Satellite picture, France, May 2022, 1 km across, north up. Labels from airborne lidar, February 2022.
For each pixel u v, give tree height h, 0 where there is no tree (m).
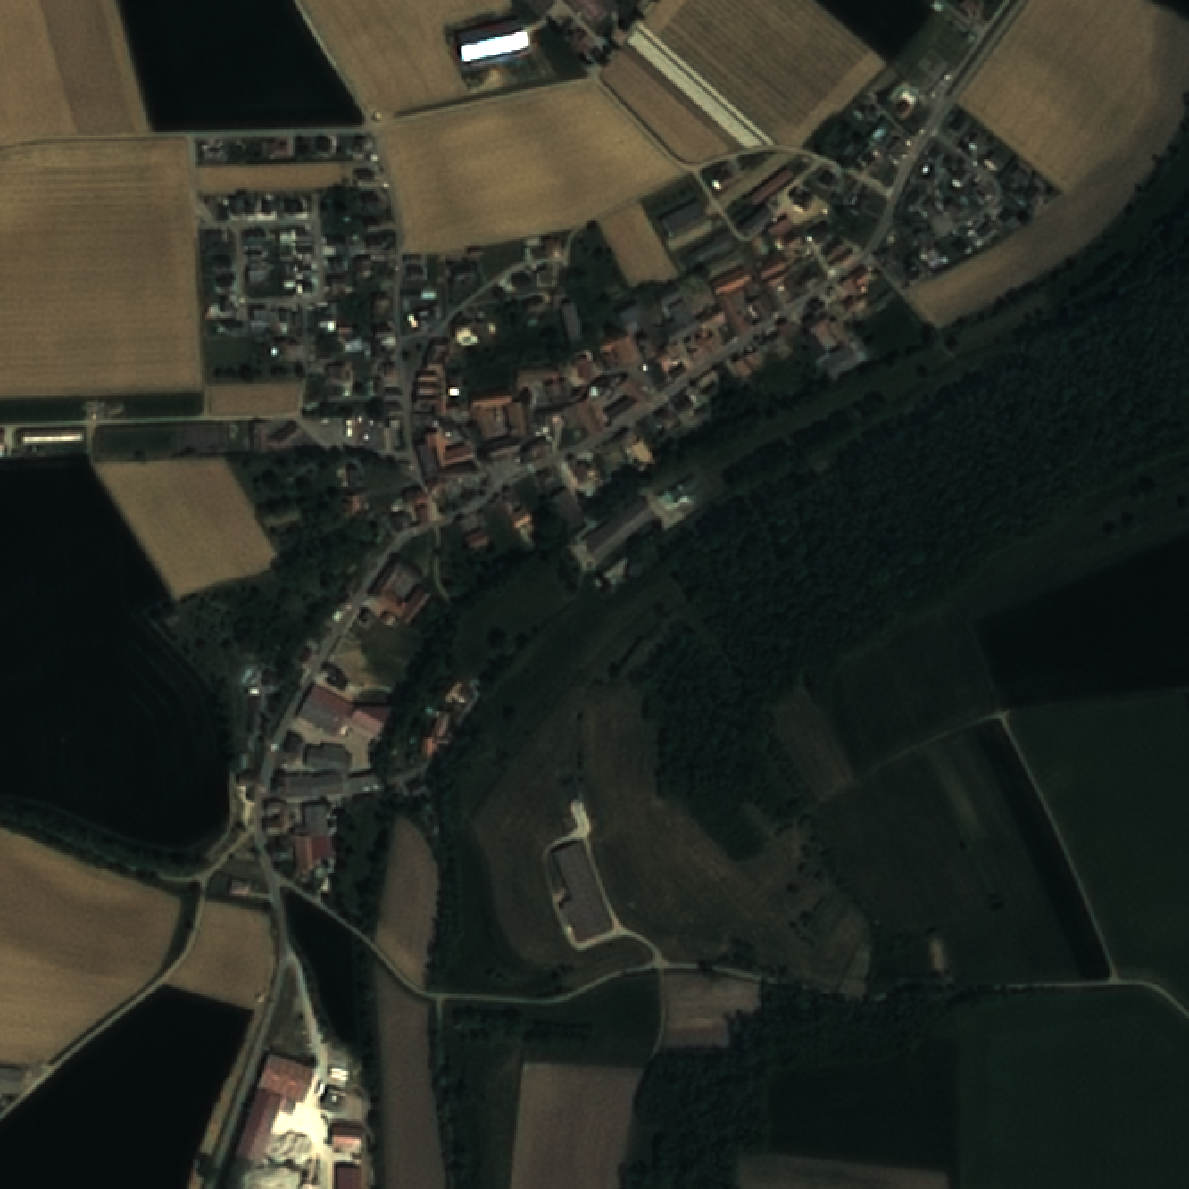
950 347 10
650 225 0
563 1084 0
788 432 0
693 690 20
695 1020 0
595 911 0
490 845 0
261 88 0
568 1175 0
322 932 0
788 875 0
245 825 0
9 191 0
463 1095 14
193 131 0
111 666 0
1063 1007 0
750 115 0
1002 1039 0
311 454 17
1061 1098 0
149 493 0
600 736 0
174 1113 0
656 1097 13
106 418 0
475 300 0
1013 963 0
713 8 0
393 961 0
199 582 0
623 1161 0
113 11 0
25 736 0
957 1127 0
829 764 0
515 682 0
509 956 0
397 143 0
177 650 0
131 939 0
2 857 0
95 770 0
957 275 0
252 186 0
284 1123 0
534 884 0
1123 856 0
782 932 0
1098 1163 0
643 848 0
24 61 0
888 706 0
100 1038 0
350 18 0
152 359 0
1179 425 21
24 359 0
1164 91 0
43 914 0
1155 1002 0
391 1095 0
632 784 0
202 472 0
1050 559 0
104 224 0
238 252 0
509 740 0
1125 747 0
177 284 0
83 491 0
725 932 0
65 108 0
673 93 0
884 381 0
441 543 0
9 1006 0
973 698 0
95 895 0
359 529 0
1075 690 0
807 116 0
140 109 0
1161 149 0
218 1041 0
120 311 0
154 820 0
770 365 0
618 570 0
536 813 0
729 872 0
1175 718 0
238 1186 0
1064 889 0
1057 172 0
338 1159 0
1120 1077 0
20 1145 0
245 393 0
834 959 0
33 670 0
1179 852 0
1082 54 0
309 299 0
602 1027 0
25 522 0
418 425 0
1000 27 0
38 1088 0
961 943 0
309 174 0
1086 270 0
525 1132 0
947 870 0
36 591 0
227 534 0
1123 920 0
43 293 0
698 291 0
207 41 0
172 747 0
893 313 0
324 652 0
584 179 0
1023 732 0
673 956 0
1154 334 21
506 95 0
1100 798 0
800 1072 0
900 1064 0
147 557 0
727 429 19
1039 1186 0
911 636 0
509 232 0
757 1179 0
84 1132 0
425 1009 0
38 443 0
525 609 0
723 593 20
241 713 0
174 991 0
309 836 0
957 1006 11
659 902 0
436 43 0
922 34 0
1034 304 0
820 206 0
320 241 0
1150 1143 0
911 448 21
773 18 0
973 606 0
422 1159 0
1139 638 0
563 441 0
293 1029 0
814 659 16
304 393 0
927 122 0
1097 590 0
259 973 0
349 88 0
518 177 0
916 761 0
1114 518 0
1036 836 0
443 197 0
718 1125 19
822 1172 0
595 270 0
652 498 0
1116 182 0
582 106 0
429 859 0
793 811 6
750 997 0
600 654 0
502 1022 14
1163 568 0
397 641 0
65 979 0
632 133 0
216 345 0
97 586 0
